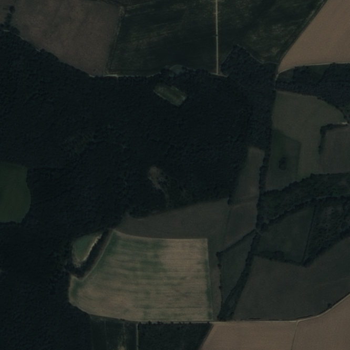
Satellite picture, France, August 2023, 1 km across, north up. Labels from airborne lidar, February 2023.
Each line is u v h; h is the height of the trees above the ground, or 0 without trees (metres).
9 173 0
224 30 0
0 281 20
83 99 15
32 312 20
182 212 0
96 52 0
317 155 0
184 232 0
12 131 22
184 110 15
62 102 10
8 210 0
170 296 0
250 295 0
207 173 17
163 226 0
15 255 13
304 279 0
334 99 15
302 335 0
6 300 20
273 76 14
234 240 0
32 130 19
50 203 20
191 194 0
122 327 0
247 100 17
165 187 19
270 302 0
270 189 0
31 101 15
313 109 0
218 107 14
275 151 0
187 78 16
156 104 13
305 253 6
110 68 0
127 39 0
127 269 0
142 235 0
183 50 0
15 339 24
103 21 0
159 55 0
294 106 0
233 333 0
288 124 0
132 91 15
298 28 0
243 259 0
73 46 0
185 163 16
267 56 0
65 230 22
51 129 16
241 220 0
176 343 0
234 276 0
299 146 0
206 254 0
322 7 0
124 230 0
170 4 0
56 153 22
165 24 0
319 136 0
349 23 0
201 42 0
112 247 0
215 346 0
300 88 13
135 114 17
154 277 0
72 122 15
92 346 14
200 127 15
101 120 12
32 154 22
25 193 0
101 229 19
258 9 0
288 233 0
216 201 0
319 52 0
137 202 23
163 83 17
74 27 0
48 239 12
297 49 0
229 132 11
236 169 15
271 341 0
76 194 18
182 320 0
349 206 11
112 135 19
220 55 0
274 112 0
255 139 16
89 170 22
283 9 0
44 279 10
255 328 0
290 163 0
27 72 13
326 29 0
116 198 21
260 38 0
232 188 14
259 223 17
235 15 0
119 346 0
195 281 0
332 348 0
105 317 0
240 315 0
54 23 0
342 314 0
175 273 0
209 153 12
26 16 0
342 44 0
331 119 0
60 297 27
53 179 18
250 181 0
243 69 15
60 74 13
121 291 0
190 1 0
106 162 24
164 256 0
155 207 12
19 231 14
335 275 0
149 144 23
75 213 21
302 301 0
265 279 0
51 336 22
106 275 0
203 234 0
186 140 11
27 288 24
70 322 20
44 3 0
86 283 0
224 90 14
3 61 13
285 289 0
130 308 0
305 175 0
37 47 0
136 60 0
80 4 0
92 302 0
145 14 0
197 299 0
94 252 18
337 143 0
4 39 8
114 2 0
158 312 0
